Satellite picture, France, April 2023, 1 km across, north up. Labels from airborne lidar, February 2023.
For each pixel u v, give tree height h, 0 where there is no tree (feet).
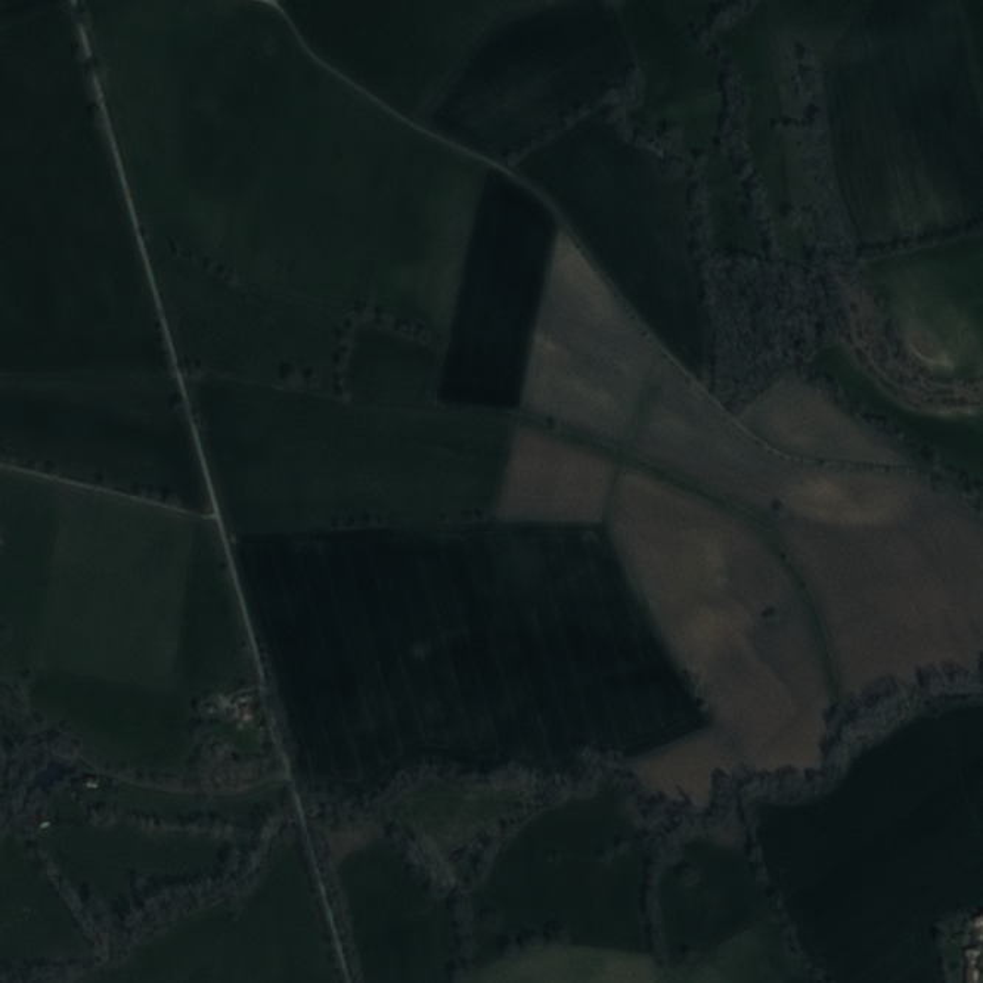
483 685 0
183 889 53
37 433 0
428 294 0
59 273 0
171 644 0
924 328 0
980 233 45
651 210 0
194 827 52
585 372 0
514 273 0
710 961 0
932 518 0
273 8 0
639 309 0
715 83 0
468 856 0
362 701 0
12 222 0
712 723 0
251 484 0
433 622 0
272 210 0
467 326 0
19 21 0
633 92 52
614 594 0
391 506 0
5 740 0
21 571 0
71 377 0
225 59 0
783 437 0
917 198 0
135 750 0
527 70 0
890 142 0
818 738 0
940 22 0
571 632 0
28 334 0
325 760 0
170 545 0
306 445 0
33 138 0
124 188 0
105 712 0
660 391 0
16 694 44
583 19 0
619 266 0
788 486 0
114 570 0
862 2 0
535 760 0
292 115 0
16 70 0
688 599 0
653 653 0
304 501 0
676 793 0
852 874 0
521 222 0
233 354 0
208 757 59
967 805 0
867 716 99
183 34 0
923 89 0
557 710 0
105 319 0
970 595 0
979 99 0
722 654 0
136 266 0
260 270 0
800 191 0
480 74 0
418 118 0
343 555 0
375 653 0
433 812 0
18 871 0
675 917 0
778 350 107
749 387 51
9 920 0
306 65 0
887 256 40
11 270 0
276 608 0
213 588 0
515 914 0
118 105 0
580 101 0
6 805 54
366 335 0
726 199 0
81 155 0
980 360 0
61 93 0
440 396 0
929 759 0
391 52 0
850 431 0
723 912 0
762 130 0
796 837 0
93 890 38
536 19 0
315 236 0
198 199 0
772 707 0
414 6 0
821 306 44
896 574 0
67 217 0
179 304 0
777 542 0
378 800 41
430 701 0
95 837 0
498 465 0
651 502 0
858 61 0
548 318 0
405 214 0
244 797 0
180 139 0
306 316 0
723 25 68
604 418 0
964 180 0
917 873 0
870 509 0
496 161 0
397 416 0
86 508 0
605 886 0
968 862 0
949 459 0
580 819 0
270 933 0
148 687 0
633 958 0
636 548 0
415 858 114
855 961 0
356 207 0
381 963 0
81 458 0
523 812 47
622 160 0
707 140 0
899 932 0
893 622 0
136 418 0
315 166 0
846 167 0
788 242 0
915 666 0
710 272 72
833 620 0
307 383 39
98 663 0
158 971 0
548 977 0
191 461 0
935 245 41
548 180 0
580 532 0
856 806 0
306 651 0
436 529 0
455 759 0
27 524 0
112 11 0
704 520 0
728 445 0
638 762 0
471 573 0
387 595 0
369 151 0
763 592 0
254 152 0
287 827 55
